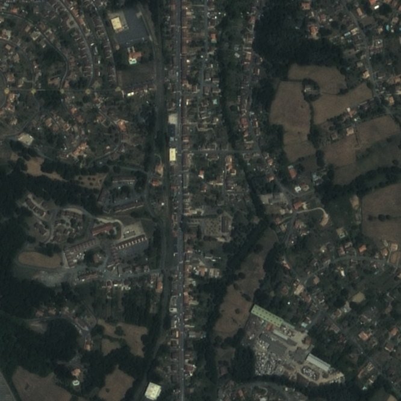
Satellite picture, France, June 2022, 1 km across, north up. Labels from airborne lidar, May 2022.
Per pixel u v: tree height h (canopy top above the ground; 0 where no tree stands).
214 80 0
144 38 0
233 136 15
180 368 0
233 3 8
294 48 13
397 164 17
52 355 20
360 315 8
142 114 12
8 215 18
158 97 0
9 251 20
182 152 0
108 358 20
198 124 0
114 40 0
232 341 23
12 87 9
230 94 7
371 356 0
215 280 15
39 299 15
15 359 7
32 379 0
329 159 0
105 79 11
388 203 0
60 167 19
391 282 0
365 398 17
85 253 10
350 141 0
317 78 0
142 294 6
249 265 0
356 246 12
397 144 0
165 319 11
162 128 0
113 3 6
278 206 0
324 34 18
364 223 0
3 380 0
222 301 20
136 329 0
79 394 9
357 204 0
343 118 0
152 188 11
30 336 13
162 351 13
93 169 15
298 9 7
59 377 10
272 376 7
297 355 0
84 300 6
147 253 13
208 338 20
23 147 17
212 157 0
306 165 0
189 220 8
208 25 0
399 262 0
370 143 0
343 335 12
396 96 10
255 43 19
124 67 12
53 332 12
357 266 7
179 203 0
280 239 0
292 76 0
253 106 8
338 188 21
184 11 0
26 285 19
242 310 0
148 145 10
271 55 20
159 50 0
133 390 18
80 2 9
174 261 0
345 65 12
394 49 0
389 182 12
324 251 0
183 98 0
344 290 14
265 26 21
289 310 10
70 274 0
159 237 11
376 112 10
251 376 30
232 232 8
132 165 8
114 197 9
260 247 16
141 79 0
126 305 7
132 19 0
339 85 0
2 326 7
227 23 11
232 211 9
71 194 23
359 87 0
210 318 15
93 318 0
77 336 9
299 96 0
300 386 7
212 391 0
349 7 6
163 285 5
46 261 0
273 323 0
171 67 0
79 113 10
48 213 10
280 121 0
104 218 0
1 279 18
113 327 0
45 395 0
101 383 18
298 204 0
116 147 0
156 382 16
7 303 13
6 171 9
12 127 0
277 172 13
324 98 0
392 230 0
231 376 12
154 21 9
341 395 27
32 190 18
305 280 0
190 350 10
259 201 17
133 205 0
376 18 6
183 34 0
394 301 8
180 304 0
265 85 12
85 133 6
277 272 13
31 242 14
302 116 0
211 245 0
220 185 0
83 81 18
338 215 0
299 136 0
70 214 0
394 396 12
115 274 0
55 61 7
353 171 0
